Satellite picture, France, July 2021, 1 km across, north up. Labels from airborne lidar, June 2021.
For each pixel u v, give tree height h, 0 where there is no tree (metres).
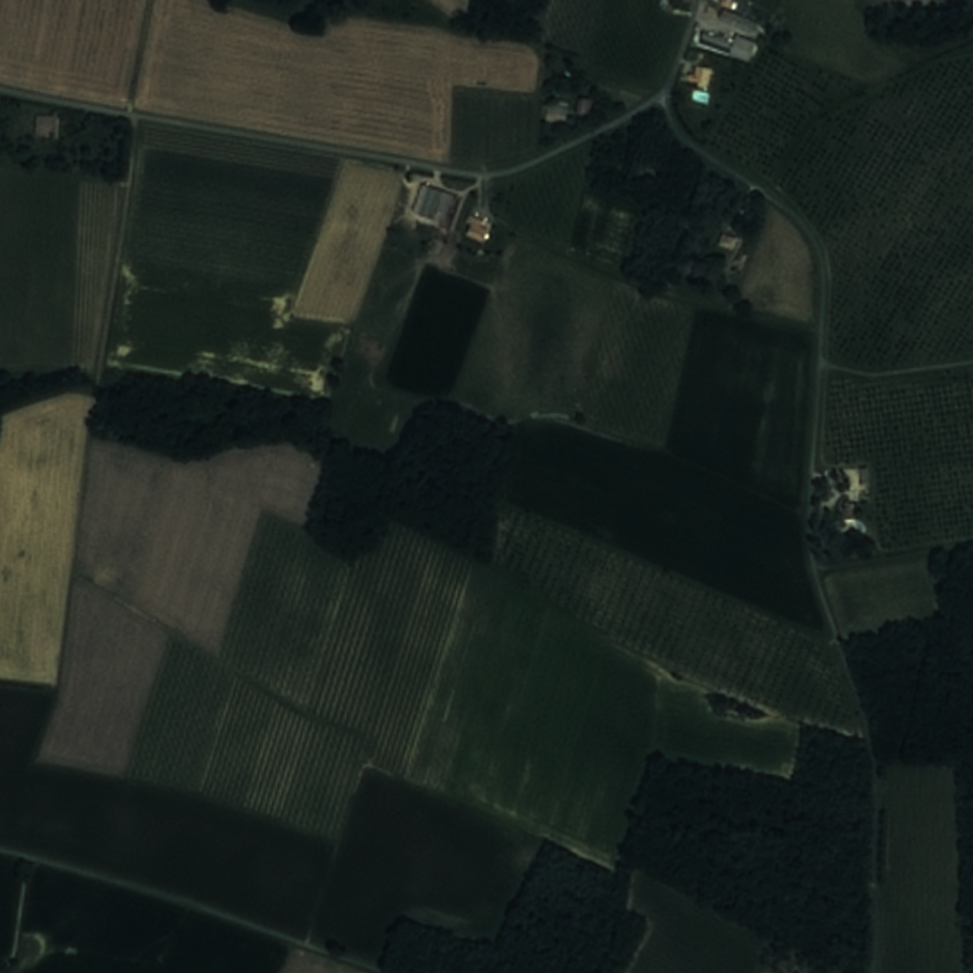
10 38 0
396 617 0
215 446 19
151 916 0
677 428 0
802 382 0
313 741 0
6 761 0
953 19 22
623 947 18
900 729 16
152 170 0
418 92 0
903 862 0
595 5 0
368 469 22
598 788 0
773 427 0
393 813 0
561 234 0
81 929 0
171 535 0
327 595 0
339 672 0
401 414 0
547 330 0
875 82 0
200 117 0
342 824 0
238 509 0
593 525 0
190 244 0
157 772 0
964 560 19
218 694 0
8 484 0
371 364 0
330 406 15
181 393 15
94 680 0
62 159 10
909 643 16
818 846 20
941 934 0
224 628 0
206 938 0
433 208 0
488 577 0
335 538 17
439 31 0
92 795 0
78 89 0
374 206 0
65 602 0
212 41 0
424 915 0
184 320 0
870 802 20
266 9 0
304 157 0
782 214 0
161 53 0
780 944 13
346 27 0
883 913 0
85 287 0
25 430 0
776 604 0
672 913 0
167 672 0
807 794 17
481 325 0
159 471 0
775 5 0
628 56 0
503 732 0
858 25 0
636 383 0
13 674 0
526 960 17
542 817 0
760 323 0
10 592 0
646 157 14
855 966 11
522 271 0
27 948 0
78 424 0
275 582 0
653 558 0
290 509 0
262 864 0
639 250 11
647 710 0
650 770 15
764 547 0
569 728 0
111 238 0
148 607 0
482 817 0
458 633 0
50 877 0
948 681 19
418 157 0
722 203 17
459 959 18
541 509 0
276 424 25
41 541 0
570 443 0
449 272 0
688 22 0
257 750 0
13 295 0
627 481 0
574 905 21
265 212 0
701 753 0
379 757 0
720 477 0
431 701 0
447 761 0
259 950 0
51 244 0
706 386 0
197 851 0
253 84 0
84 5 0
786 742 0
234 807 0
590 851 0
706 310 0
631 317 0
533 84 0
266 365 0
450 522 22
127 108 0
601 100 7
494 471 25
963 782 15
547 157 0
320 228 0
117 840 0
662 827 18
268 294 0
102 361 0
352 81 0
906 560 0
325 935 0
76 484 0
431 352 0
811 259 0
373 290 0
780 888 16
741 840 19
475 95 0
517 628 0
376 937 0
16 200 0
